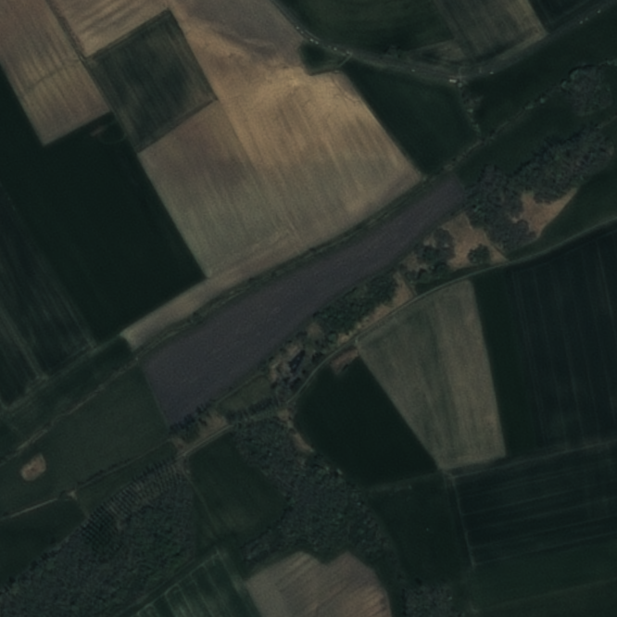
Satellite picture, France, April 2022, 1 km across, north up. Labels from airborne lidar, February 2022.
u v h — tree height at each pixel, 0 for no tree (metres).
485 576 0
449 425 0
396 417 0
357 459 0
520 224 7
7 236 0
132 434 0
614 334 0
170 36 0
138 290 0
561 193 11
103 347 0
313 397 0
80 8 0
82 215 0
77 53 0
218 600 0
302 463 0
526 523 0
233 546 0
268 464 15
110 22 0
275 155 0
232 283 0
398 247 0
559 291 0
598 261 0
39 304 0
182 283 0
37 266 0
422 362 0
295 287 0
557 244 0
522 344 0
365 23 0
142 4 0
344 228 0
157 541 20
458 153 0
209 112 0
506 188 6
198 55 0
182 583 0
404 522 0
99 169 0
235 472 0
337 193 0
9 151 0
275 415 28
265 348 0
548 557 0
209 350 0
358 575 0
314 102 0
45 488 0
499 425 0
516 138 0
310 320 0
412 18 0
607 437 0
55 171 0
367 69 0
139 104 0
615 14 0
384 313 0
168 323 0
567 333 0
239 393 0
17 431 0
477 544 0
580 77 17
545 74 0
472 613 0
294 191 0
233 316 0
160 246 0
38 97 0
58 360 0
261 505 0
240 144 0
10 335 0
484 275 0
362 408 0
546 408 0
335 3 0
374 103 0
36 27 0
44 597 18
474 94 0
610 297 0
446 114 0
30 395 0
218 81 0
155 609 0
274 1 0
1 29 0
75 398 0
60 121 0
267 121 0
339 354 0
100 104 0
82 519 0
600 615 0
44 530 0
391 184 0
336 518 17
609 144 12
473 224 7
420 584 0
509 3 0
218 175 0
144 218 0
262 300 0
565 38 0
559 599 0
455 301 0
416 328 0
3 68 0
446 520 0
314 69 0
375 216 0
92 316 0
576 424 0
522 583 0
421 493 0
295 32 0
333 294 0
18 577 0
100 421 0
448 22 0
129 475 0
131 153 0
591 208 0
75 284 0
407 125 0
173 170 0
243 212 0
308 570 0
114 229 0
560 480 0
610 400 0
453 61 0
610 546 0
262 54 0
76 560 19
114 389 0
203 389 0
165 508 18
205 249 0
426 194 0
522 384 0
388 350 0
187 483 13
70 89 0
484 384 0
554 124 0
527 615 0
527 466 0
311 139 0
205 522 0
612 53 0
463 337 0
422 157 0
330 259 0
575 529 0
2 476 0
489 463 0
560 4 0
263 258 0
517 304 0
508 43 0
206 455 0
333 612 0
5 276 0
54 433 0
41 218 0
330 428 0
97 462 0
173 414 0
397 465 0
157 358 0
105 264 0
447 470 0
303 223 0
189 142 0
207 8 0
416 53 0
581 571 0
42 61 0
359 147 0
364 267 0
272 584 0
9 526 0
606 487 0
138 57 0
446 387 0
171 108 0
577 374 0
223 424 0
